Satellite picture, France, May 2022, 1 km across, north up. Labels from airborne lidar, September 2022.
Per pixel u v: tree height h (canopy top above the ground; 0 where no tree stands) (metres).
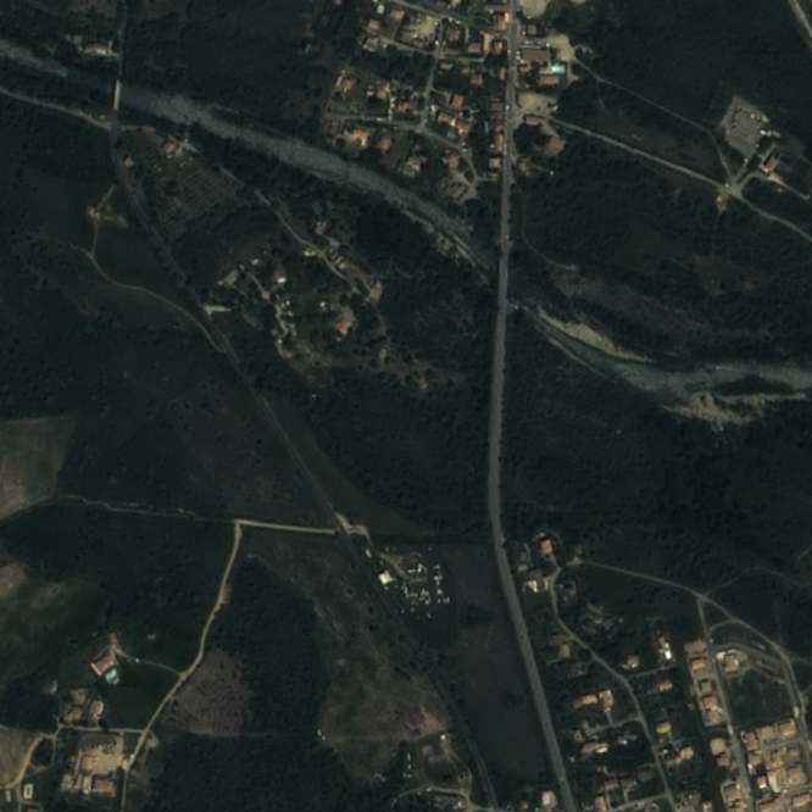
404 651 0
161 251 8
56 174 8
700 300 6
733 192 0
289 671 6
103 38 6
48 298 6
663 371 6
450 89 6
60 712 8
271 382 10
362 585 0
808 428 19
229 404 0
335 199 12
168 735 0
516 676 0
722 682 0
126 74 14
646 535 8
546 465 12
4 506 0
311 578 0
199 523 8
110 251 0
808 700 0
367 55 7
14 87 10
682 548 9
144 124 7
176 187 7
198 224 7
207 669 0
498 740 0
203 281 0
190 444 0
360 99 0
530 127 11
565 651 0
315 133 7
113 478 9
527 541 6
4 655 0
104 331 7
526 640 0
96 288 0
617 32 8
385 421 7
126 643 0
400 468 7
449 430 10
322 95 10
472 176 7
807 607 10
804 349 7
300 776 6
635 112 9
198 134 15
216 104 6
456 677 0
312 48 10
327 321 10
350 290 9
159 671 0
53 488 0
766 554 9
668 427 19
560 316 13
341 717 0
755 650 0
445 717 0
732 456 6
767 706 0
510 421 5
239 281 7
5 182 0
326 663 0
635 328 16
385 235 17
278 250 9
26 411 7
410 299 6
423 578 0
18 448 0
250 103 8
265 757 9
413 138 6
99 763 0
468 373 11
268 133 7
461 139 0
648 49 7
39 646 0
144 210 0
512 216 9
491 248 18
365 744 0
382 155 11
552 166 8
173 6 0
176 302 0
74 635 0
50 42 10
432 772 0
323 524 0
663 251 0
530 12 0
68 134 7
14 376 6
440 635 0
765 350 7
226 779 6
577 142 8
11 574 0
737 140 0
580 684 7
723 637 0
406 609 0
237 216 7
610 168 6
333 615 0
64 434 0
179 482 7
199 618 7
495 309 18
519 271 6
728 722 0
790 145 0
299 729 8
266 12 0
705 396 6
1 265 7
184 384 0
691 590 0
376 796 13
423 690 0
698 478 10
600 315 8
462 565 0
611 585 0
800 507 0
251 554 0
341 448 9
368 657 0
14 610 0
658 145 0
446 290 8
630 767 8
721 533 16
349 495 0
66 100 9
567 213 6
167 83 9
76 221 0
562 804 5
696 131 9
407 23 9
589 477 7
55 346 6
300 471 6
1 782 0
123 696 0
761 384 6
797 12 0
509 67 9
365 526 0
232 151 14
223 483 0
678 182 0
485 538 6
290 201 7
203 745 6
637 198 5
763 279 0
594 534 6
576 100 10
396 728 0
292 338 7
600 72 7
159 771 0
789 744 0
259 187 9
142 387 0
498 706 0
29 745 0
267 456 6
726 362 6
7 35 11
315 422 5
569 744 6
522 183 8
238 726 0
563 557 11
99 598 0
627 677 6
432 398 8
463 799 0
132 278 0
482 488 8
